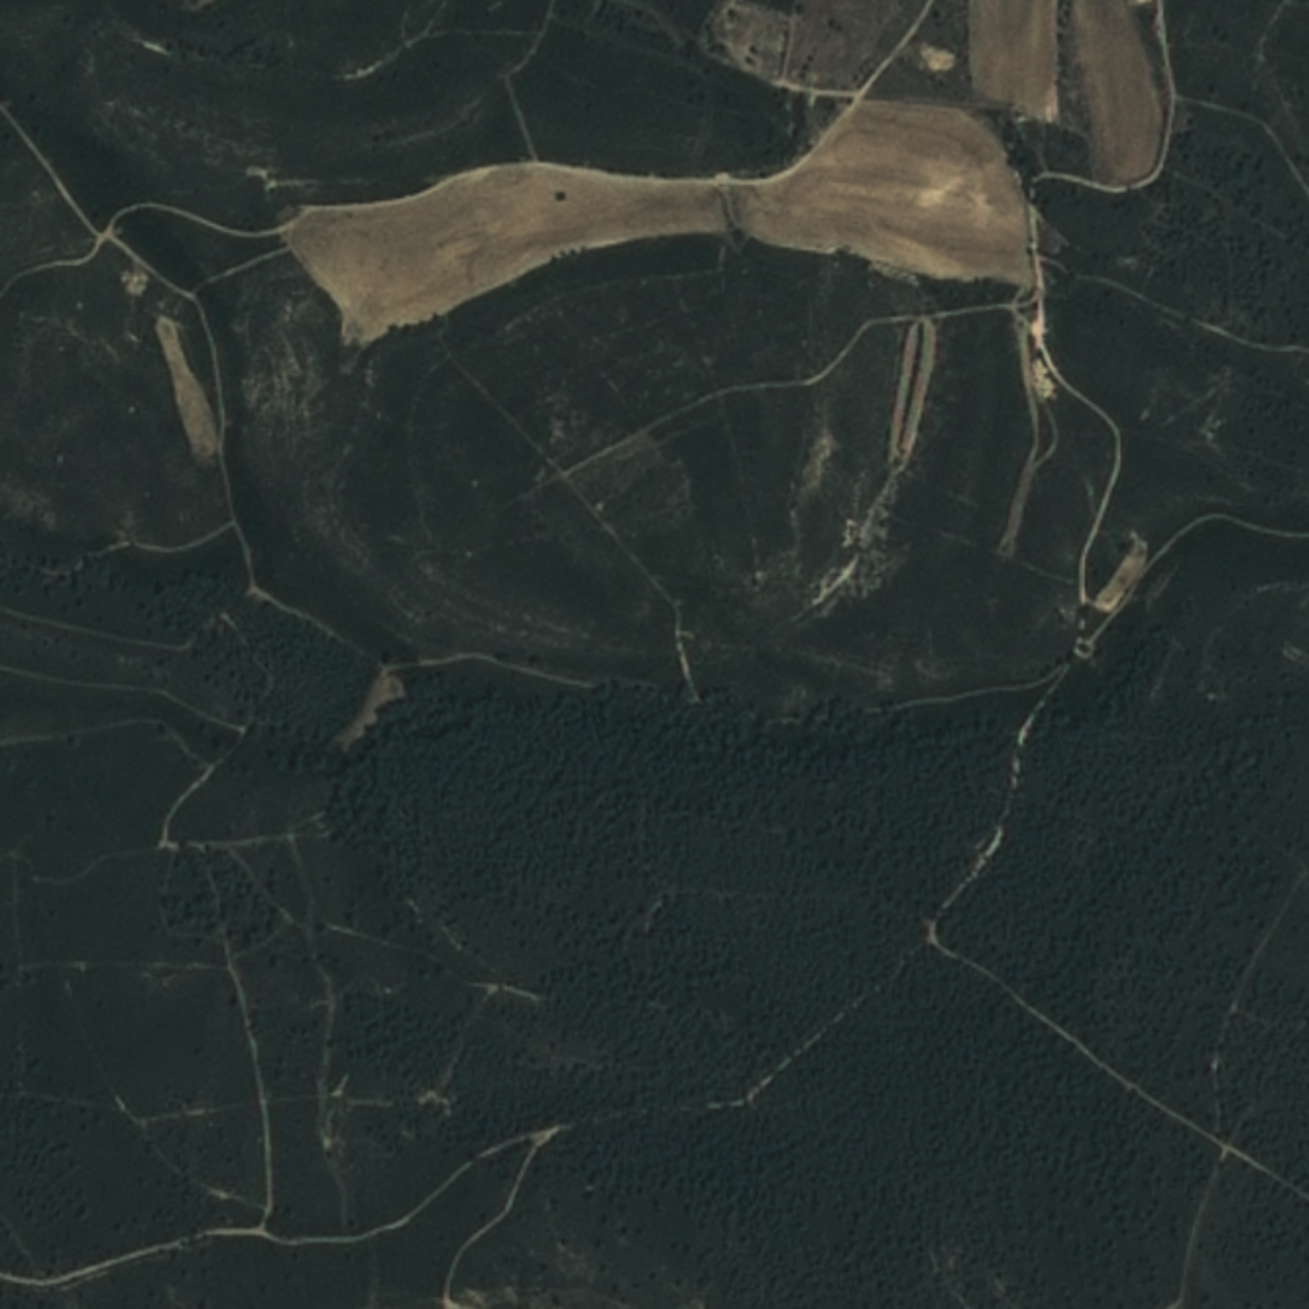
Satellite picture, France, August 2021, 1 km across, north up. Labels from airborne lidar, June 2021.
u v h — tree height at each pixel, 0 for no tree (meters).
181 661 0
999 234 0
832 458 0
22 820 0
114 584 9
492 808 10
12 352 0
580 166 0
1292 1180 9
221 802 0
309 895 0
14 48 0
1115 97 0
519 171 0
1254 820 8
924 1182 10
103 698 0
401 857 10
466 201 0
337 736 12
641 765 10
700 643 0
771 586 0
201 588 9
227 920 10
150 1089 0
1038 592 0
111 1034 0
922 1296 8
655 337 0
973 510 0
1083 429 0
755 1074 8
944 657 0
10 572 7
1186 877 9
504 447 0
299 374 0
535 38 0
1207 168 8
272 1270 0
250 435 0
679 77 0
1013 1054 10
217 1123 0
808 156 0
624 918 9
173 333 0
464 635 0
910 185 0
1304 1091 8
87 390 0
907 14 0
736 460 0
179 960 0
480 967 0
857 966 11
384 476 0
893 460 0
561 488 0
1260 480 6
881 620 0
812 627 0
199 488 0
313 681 8
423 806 7
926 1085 9
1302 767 0
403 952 0
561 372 0
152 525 0
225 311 0
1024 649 0
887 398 0
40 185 0
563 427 0
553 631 0
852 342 0
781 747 12
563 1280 0
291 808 0
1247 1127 7
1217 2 0
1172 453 0
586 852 7
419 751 13
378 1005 9
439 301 0
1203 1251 7
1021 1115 9
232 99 0
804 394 0
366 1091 0
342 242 0
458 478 0
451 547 0
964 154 0
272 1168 0
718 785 9
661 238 0
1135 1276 7
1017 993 7
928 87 0
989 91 0
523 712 11
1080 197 6
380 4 0
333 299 0
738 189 0
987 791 9
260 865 0
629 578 0
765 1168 10
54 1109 8
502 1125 9
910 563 0
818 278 0
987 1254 6
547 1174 6
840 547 0
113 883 0
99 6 0
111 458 0
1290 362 0
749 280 0
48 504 0
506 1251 0
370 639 0
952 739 13
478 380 0
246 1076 0
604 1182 9
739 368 0
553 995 9
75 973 0
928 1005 7
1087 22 0
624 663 0
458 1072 6
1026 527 0
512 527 0
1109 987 7
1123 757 7
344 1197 0
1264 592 0
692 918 10
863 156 0
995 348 0
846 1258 9
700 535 0
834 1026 8
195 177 0
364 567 0
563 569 0
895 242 0
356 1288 0
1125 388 0
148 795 0
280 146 0
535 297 0
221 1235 0
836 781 7
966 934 7
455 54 0
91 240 0
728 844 9
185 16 0
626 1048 9
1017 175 0
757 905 9
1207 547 0
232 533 0
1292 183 0
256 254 0
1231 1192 7
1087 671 0
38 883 0
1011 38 0
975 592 0
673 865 7
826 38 0
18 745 0
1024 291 0
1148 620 0
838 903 10
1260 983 7
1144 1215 9
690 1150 9
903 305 0
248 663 7
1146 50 0
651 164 0
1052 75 0
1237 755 12
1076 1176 9
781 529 0
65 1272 0
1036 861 8
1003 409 0
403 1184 0
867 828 9
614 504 0
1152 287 0
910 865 6
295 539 0
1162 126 0
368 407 0
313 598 0
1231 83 0
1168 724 7
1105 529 0
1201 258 7
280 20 0
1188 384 0
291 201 0
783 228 0
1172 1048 6
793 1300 7
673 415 0
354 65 0
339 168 0
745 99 0
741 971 10
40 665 0
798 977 9
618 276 0
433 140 0
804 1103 8
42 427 0
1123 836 9
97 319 0
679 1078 8
